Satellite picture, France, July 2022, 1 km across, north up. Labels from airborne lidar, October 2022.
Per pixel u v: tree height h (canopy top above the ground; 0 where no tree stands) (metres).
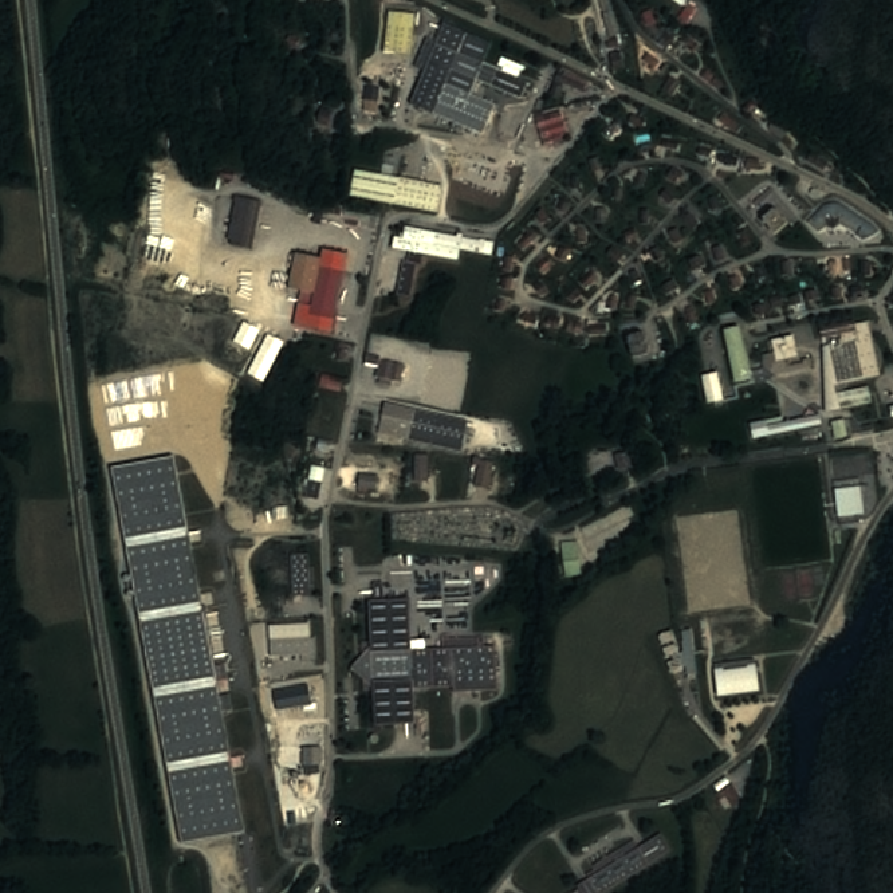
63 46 8
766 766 6
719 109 0
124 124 8
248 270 0
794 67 15
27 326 0
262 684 0
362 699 8
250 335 0
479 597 0
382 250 0
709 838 0
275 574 0
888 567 15
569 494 24
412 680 0
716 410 0
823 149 9
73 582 0
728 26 11
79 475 0
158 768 0
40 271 0
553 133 0
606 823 0
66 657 0
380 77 0
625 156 17
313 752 0
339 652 0
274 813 0
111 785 0
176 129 13
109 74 9
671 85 0
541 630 18
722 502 0
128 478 0
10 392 6
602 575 19
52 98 5
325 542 0
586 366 0
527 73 7
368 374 0
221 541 0
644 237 0
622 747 0
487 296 0
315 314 0
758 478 0
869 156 12
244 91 12
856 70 9
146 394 0
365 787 0
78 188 8
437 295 9
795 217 0
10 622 20
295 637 0
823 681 5
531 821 14
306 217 0
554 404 28
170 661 0
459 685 0
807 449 0
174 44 17
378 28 0
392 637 0
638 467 23
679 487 22
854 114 13
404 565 0
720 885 14
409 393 0
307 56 15
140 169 7
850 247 0
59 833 0
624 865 0
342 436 0
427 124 0
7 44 12
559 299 9
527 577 10
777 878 7
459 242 0
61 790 0
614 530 0
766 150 0
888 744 10
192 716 0
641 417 12
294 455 0
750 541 0
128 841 0
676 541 0
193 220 0
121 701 0
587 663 0
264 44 14
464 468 0
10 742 13
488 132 0
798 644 0
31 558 0
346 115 10
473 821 0
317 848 0
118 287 0
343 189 14
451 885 14
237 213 0
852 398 0
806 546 0
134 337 0
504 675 0
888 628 11
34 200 0
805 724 13
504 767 0
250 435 14
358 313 0
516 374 0
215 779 0
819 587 0
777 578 0
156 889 0
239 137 11
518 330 0
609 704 0
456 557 0
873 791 6
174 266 0
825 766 8
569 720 0
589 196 0
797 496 0
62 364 0
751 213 0
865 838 6
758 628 0
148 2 9
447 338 0
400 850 8
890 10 10
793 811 13
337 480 0
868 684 8
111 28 8
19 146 13
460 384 0
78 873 0
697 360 16
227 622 0
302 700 0
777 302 0
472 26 0
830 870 6
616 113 14
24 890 16
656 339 0
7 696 7
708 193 10
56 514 0
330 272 0
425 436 0
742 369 0
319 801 0
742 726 9
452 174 0
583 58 7
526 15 0
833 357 0
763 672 0
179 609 0
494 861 7
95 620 0
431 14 0
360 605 18
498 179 0
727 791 0
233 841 0
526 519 0
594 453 0
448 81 0
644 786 0
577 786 0
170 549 0
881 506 0
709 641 0
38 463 0
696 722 0
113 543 0
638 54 0
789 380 0
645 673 0
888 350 7
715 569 0
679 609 0
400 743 0
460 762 14
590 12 0
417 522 0
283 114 11
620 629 0
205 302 0
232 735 0
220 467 0
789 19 19
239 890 0
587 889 0
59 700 0
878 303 0
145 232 0
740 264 0
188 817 0
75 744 0
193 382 0
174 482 0
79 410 0
